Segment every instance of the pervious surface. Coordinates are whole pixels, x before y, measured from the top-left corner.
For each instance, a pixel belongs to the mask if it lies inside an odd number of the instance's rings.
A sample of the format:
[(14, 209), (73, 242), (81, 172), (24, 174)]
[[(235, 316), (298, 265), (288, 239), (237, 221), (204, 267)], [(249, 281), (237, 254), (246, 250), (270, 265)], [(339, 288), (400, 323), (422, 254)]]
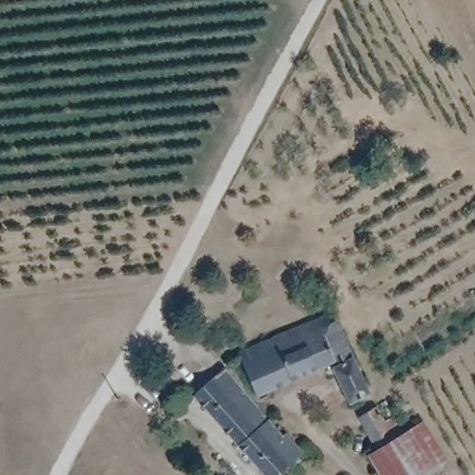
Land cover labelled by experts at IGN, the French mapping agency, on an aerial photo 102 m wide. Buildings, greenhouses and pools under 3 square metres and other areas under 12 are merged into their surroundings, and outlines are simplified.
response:
[(234, 445), (232, 438), (210, 416), (210, 412), (200, 408), (197, 397), (189, 403), (184, 416), (178, 416), (178, 423), (187, 417), (197, 429), (202, 430), (208, 438), (208, 443), (212, 445), (217, 456), (221, 456), (219, 469), (215, 471), (215, 475), (262, 475), (262, 471), (252, 464), (249, 455)]
[(67, 475), (78, 451), (82, 449), (89, 430), (95, 427), (96, 419), (104, 410), (104, 406), (111, 401), (113, 393), (126, 395), (128, 403), (132, 406), (143, 404), (143, 410), (150, 414), (150, 430), (160, 429), (173, 416), (165, 406), (161, 406), (158, 393), (148, 392), (139, 382), (128, 371), (128, 356), (124, 353), (117, 356), (115, 364), (109, 369), (108, 377), (100, 384), (95, 397), (85, 406), (76, 427), (72, 429), (71, 436), (63, 445), (56, 464), (50, 469), (50, 475)]
[(139, 336), (128, 338), (128, 354), (141, 356), (147, 351), (148, 343), (152, 340), (165, 343), (173, 354), (173, 362), (178, 364), (186, 360), (208, 360), (212, 364), (212, 367), (193, 375), (193, 388), (193, 392), (197, 392), (204, 388), (217, 373), (225, 369), (228, 366), (226, 360), (219, 358), (213, 351), (206, 351), (202, 345), (176, 341), (167, 327), (161, 314), (163, 295), (169, 289), (176, 288), (187, 269), (193, 269), (195, 263), (199, 262), (195, 258), (195, 252), (199, 247), (200, 237), (204, 236), (206, 228), (210, 225), (215, 208), (219, 206), (223, 193), (228, 189), (232, 174), (236, 173), (237, 165), (243, 160), (245, 150), (254, 137), (256, 128), (260, 126), (265, 111), (275, 100), (276, 91), (280, 83), (284, 82), (293, 59), (299, 54), (302, 46), (319, 11), (323, 9), (325, 0), (312, 0), (291, 33), (288, 45), (284, 46), (284, 50), (276, 59), (275, 67), (263, 83), (254, 106), (243, 119), (241, 130), (236, 135), (232, 147), (228, 148), (225, 160), (213, 178), (212, 186), (208, 187), (206, 195), (200, 199), (200, 200), (197, 217), (191, 225), (186, 225), (187, 234), (182, 241), (182, 247), (176, 252), (171, 267), (165, 273), (161, 273), (163, 280), (160, 288), (156, 289), (147, 312), (137, 325)]
[(345, 455), (340, 445), (317, 429), (315, 423), (306, 416), (302, 417), (301, 421), (302, 434), (308, 436), (321, 449), (323, 455), (330, 456), (349, 475), (367, 475), (367, 469), (362, 471), (356, 468), (356, 464)]

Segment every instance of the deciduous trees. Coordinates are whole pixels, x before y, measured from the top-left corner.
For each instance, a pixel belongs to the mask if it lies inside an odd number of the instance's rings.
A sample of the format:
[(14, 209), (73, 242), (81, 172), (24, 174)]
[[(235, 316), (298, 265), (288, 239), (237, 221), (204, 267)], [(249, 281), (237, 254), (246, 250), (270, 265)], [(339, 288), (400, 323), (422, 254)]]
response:
[(0, 43), (0, 54), (39, 50), (50, 46), (145, 39), (180, 33), (245, 30), (260, 28), (265, 24), (265, 19), (223, 20), (187, 26), (145, 28), (135, 32), (89, 33), (50, 41), (28, 41), (7, 45)]
[(367, 30), (371, 30), (371, 22), (367, 20), (366, 11), (360, 0), (340, 0), (347, 17), (341, 17), (340, 11), (334, 9), (334, 19), (340, 30), (334, 33), (334, 45), (327, 46), (327, 54), (340, 78), (345, 95), (353, 98), (351, 87), (356, 85), (360, 93), (367, 98), (377, 91), (380, 104), (386, 106), (392, 100), (401, 100), (406, 98), (408, 93), (412, 93), (419, 96), (419, 102), (425, 108), (429, 106), (429, 102), (421, 85), (427, 85), (432, 100), (442, 113), (447, 126), (451, 124), (451, 115), (443, 108), (436, 87), (430, 83), (429, 76), (423, 72), (417, 59), (414, 61), (414, 67), (410, 67), (390, 39), (384, 39), (384, 45), (406, 72), (403, 83), (395, 85), (386, 78), (386, 72), (382, 71), (382, 65), (375, 52), (371, 50), (371, 45), (367, 45), (367, 39), (362, 39), (362, 45), (366, 46), (367, 56), (380, 76), (380, 83), (371, 78), (364, 59), (347, 32), (347, 24), (353, 24), (356, 33), (362, 33), (360, 26), (367, 26)]
[(78, 247), (80, 239), (59, 239), (59, 249), (50, 252), (50, 258), (69, 260), (71, 250)]
[(302, 434), (297, 436), (295, 442), (301, 445), (297, 456), (306, 462), (317, 462), (323, 455), (321, 449), (308, 436)]
[(152, 245), (150, 254), (143, 254), (145, 263), (122, 265), (122, 273), (126, 275), (161, 273), (161, 258), (169, 252), (167, 243)]
[(213, 351), (223, 347), (223, 343), (228, 343), (230, 349), (245, 347), (249, 341), (243, 336), (243, 330), (232, 314), (221, 314), (221, 317), (213, 321), (206, 321), (199, 301), (187, 304), (182, 310), (182, 315), (173, 325), (167, 327), (176, 341), (202, 345), (206, 351)]
[(184, 165), (193, 161), (191, 156), (169, 156), (113, 163), (113, 169)]
[(13, 11), (0, 9), (0, 20), (186, 0), (109, 0)]
[(7, 148), (115, 139), (119, 137), (119, 132), (106, 130), (85, 135), (19, 139), (7, 143), (0, 139), (0, 152)]
[(353, 254), (360, 250), (369, 256), (367, 262), (356, 263), (356, 271), (371, 271), (380, 263), (388, 262), (393, 254), (392, 249), (384, 249), (382, 252), (377, 250), (377, 243), (371, 237), (371, 226), (390, 219), (393, 213), (403, 212), (406, 206), (429, 197), (447, 184), (453, 184), (462, 176), (460, 171), (455, 171), (451, 176), (432, 186), (421, 187), (414, 197), (397, 202), (395, 206), (390, 206), (384, 212), (377, 213), (354, 226), (354, 243), (351, 247), (345, 247), (345, 254)]
[(167, 173), (126, 180), (83, 182), (69, 186), (33, 187), (22, 191), (4, 191), (0, 187), (0, 200), (82, 193), (108, 187), (180, 182), (182, 176), (180, 173)]
[(208, 130), (210, 122), (195, 121), (156, 124), (132, 130), (134, 135), (154, 135), (174, 134), (186, 130)]
[(0, 37), (54, 32), (98, 24), (128, 24), (141, 20), (267, 9), (267, 4), (237, 2), (221, 6), (147, 11), (119, 17), (58, 20), (24, 24), (13, 28), (0, 26)]
[(302, 150), (295, 135), (284, 132), (276, 137), (273, 145), (273, 173), (278, 178), (286, 180), (289, 163), (293, 161), (297, 152)]
[(228, 95), (228, 89), (212, 87), (122, 98), (95, 98), (39, 108), (0, 106), (0, 119), (33, 113), (58, 113), (63, 109), (93, 109), (161, 102), (174, 98), (225, 96)]
[(440, 202), (436, 200), (432, 206), (423, 208), (414, 215), (412, 225), (451, 204), (456, 199), (456, 193), (451, 193), (449, 197)]
[(458, 52), (455, 48), (445, 46), (436, 63), (443, 65), (458, 61)]
[(20, 276), (30, 286), (35, 280), (35, 273), (56, 271), (56, 265), (22, 265), (19, 269)]
[(232, 265), (232, 282), (236, 282), (237, 288), (241, 291), (241, 301), (250, 304), (260, 297), (262, 284), (258, 278), (258, 271), (243, 260)]
[(217, 56), (191, 56), (147, 63), (104, 65), (78, 71), (22, 72), (11, 76), (0, 74), (0, 87), (4, 83), (39, 82), (54, 78), (102, 76), (113, 72), (171, 69), (202, 63), (247, 61), (247, 54), (241, 52)]
[(124, 58), (189, 48), (252, 45), (256, 39), (254, 35), (245, 35), (219, 39), (191, 39), (184, 43), (130, 46), (119, 50), (87, 50), (32, 58), (0, 58), (0, 69), (35, 63), (65, 63), (80, 59)]
[(432, 286), (425, 297), (410, 301), (410, 306), (419, 306), (423, 302), (430, 302), (432, 306), (436, 306), (434, 297), (438, 293), (475, 273), (475, 263), (468, 265), (460, 273), (453, 273), (442, 284)]
[(421, 228), (416, 232), (416, 236), (410, 239), (410, 247), (416, 247), (419, 241), (434, 236), (443, 226), (453, 225), (456, 219), (468, 215), (469, 210), (475, 206), (475, 197), (449, 217), (443, 217), (438, 225)]
[(358, 334), (358, 345), (364, 353), (369, 354), (369, 362), (375, 367), (375, 371), (390, 371), (393, 380), (403, 382), (404, 377), (408, 377), (414, 369), (427, 366), (434, 358), (451, 351), (460, 343), (466, 343), (469, 336), (475, 334), (475, 310), (453, 312), (449, 317), (447, 336), (442, 338), (434, 334), (423, 343), (406, 345), (403, 353), (388, 353), (384, 340), (384, 336), (377, 330), (362, 330)]
[(173, 354), (161, 364), (150, 362), (147, 377), (143, 377), (139, 382), (148, 392), (158, 393), (165, 388), (167, 382), (174, 380), (171, 375), (173, 362)]
[(392, 410), (395, 427), (404, 425), (406, 421), (410, 423), (410, 427), (416, 427), (421, 421), (421, 417), (414, 412), (404, 412), (403, 395), (399, 390), (390, 390), (388, 397), (388, 408)]
[(134, 204), (145, 204), (143, 215), (161, 215), (171, 210), (171, 200), (200, 200), (200, 199), (197, 189), (132, 197)]
[(388, 289), (384, 293), (384, 299), (403, 295), (423, 280), (442, 271), (443, 267), (458, 262), (462, 256), (460, 252), (455, 252), (445, 260), (432, 263), (425, 273), (417, 275), (416, 278)]
[(354, 145), (362, 139), (367, 139), (367, 135), (377, 128), (371, 119), (364, 119), (356, 126)]
[(306, 416), (315, 423), (327, 421), (330, 417), (327, 406), (319, 397), (306, 392), (299, 393), (302, 412), (306, 412)]
[(0, 167), (63, 158), (74, 160), (128, 154), (156, 148), (199, 147), (200, 141), (171, 139), (158, 143), (134, 143), (126, 147), (71, 150), (58, 154), (30, 154), (15, 158), (0, 156)]
[(219, 108), (217, 104), (204, 104), (143, 109), (119, 115), (80, 117), (69, 121), (39, 121), (26, 124), (0, 122), (0, 137), (15, 132), (89, 126), (104, 122), (139, 121), (191, 113), (212, 113)]
[(468, 223), (466, 228), (460, 228), (453, 234), (442, 237), (436, 245), (423, 250), (419, 256), (414, 256), (395, 267), (395, 273), (403, 275), (417, 263), (427, 260), (427, 256), (432, 252), (455, 243), (456, 239), (462, 239), (475, 230), (475, 219)]
[(74, 204), (28, 206), (24, 208), (24, 213), (30, 217), (33, 226), (65, 225), (69, 213), (72, 212), (83, 212), (91, 208), (119, 208), (117, 197), (106, 197)]
[(26, 89), (11, 93), (0, 91), (0, 102), (37, 96), (115, 91), (167, 83), (223, 80), (237, 78), (239, 72), (236, 69), (226, 69), (161, 78)]
[(265, 416), (269, 423), (280, 425), (282, 416), (275, 404), (269, 404), (265, 408)]
[(314, 67), (314, 58), (302, 46), (299, 54), (293, 59), (295, 63), (299, 63), (299, 71), (310, 71)]
[(225, 276), (217, 265), (204, 280), (199, 280), (200, 288), (204, 288), (206, 293), (219, 293), (226, 289)]
[(0, 184), (17, 180), (22, 182), (37, 178), (102, 173), (104, 165), (48, 169), (32, 173), (4, 174), (0, 171)]
[(371, 160), (366, 161), (364, 165), (351, 167), (351, 156), (341, 154), (330, 161), (330, 169), (336, 173), (351, 171), (356, 180), (364, 182), (364, 186), (375, 187), (382, 180), (388, 180), (392, 174), (401, 173), (406, 167), (410, 176), (406, 180), (373, 199), (375, 204), (380, 204), (382, 200), (399, 197), (406, 187), (427, 176), (423, 163), (427, 160), (427, 152), (414, 152), (410, 148), (399, 147), (390, 137), (377, 137), (375, 145), (369, 150)]
[(328, 278), (323, 282), (317, 282), (315, 278), (301, 280), (293, 276), (293, 295), (289, 295), (288, 301), (301, 306), (306, 315), (323, 312), (330, 319), (338, 319), (338, 286), (330, 284)]
[(328, 78), (321, 78), (310, 80), (312, 85), (302, 96), (301, 104), (310, 115), (315, 113), (319, 106), (327, 106), (327, 111), (332, 117), (332, 126), (343, 139), (347, 135), (347, 122), (341, 117), (340, 109), (336, 108), (332, 100), (332, 83)]

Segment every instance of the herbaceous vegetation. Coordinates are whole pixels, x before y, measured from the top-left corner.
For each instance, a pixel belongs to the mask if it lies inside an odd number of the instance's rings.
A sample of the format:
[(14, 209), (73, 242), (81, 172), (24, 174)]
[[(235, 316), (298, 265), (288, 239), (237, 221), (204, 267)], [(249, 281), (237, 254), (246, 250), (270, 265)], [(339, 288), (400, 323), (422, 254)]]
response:
[(165, 406), (169, 397), (180, 388), (193, 388), (193, 375), (212, 367), (212, 364), (208, 360), (186, 360), (178, 364), (173, 362), (171, 375), (174, 380), (167, 382), (165, 388), (158, 393), (161, 406)]
[(438, 293), (434, 297), (436, 306), (453, 304), (453, 299), (458, 299), (466, 289), (475, 288), (475, 273)]
[(208, 443), (199, 451), (199, 447), (184, 442), (165, 453), (173, 468), (184, 471), (186, 475), (215, 475), (215, 471), (219, 469), (221, 456), (217, 456), (212, 445)]
[(0, 0), (0, 9), (13, 11), (109, 0)]
[(315, 468), (304, 475), (349, 475), (330, 456), (323, 455), (317, 462)]
[[(119, 17), (147, 11), (221, 6), (237, 2), (267, 4), (267, 9), (141, 20), (128, 24), (98, 24), (54, 32), (0, 37), (0, 43), (7, 45), (28, 41), (50, 41), (89, 33), (135, 32), (145, 28), (187, 26), (223, 20), (265, 19), (265, 24), (260, 28), (245, 30), (180, 33), (145, 39), (50, 46), (39, 50), (0, 54), (0, 58), (32, 58), (87, 50), (119, 50), (130, 46), (184, 43), (191, 39), (219, 39), (245, 35), (254, 35), (256, 39), (252, 45), (189, 48), (124, 58), (80, 59), (65, 63), (35, 63), (0, 69), (0, 74), (11, 76), (22, 72), (78, 71), (104, 65), (147, 63), (191, 56), (217, 56), (241, 52), (247, 54), (247, 61), (202, 63), (171, 69), (113, 72), (102, 76), (54, 78), (39, 82), (4, 83), (0, 87), (0, 91), (11, 93), (26, 89), (161, 78), (226, 69), (236, 69), (239, 72), (237, 78), (223, 80), (167, 83), (115, 91), (37, 96), (0, 102), (0, 106), (39, 108), (95, 98), (122, 98), (212, 87), (228, 89), (228, 95), (225, 96), (174, 98), (161, 102), (93, 109), (63, 109), (58, 113), (33, 113), (0, 119), (0, 122), (26, 124), (39, 121), (69, 121), (80, 117), (119, 115), (143, 109), (204, 104), (217, 104), (219, 108), (212, 113), (191, 113), (139, 121), (104, 122), (89, 126), (15, 132), (0, 137), (0, 139), (7, 143), (19, 139), (85, 135), (106, 130), (119, 132), (119, 137), (115, 139), (7, 148), (0, 152), (0, 156), (15, 158), (30, 154), (58, 154), (71, 150), (126, 147), (134, 143), (158, 143), (171, 139), (200, 141), (199, 147), (156, 148), (128, 154), (74, 160), (63, 158), (0, 167), (0, 171), (4, 174), (32, 173), (48, 169), (104, 165), (102, 173), (37, 178), (22, 182), (17, 180), (0, 184), (0, 187), (4, 191), (22, 191), (33, 187), (69, 186), (83, 182), (126, 180), (167, 173), (180, 173), (182, 176), (180, 182), (108, 187), (82, 193), (0, 200), (0, 475), (50, 475), (50, 469), (56, 464), (63, 445), (71, 436), (72, 429), (76, 427), (85, 406), (95, 397), (100, 384), (108, 377), (109, 369), (115, 364), (117, 356), (124, 353), (128, 356), (128, 371), (139, 382), (143, 377), (147, 377), (150, 362), (161, 364), (173, 354), (165, 343), (152, 340), (148, 343), (147, 351), (141, 356), (128, 354), (128, 338), (139, 336), (137, 325), (147, 312), (156, 289), (160, 288), (163, 280), (161, 273), (165, 273), (171, 267), (176, 252), (182, 247), (182, 241), (187, 234), (186, 225), (191, 225), (197, 217), (200, 200), (171, 200), (171, 210), (161, 215), (143, 215), (145, 204), (134, 204), (132, 197), (197, 189), (200, 199), (206, 195), (208, 187), (212, 186), (213, 178), (225, 160), (228, 148), (232, 147), (236, 135), (241, 130), (243, 119), (254, 106), (263, 83), (275, 67), (276, 59), (284, 50), (284, 46), (288, 45), (291, 33), (312, 0), (186, 0), (0, 20), (0, 26), (13, 28), (24, 24), (58, 20)], [(195, 121), (210, 122), (208, 130), (186, 130), (174, 134), (154, 135), (134, 135), (132, 130), (156, 124)], [(184, 165), (113, 169), (113, 163), (169, 156), (191, 156), (193, 161)], [(65, 225), (33, 226), (30, 217), (24, 213), (24, 208), (28, 206), (74, 204), (106, 197), (117, 197), (119, 208), (91, 208), (83, 212), (72, 212), (69, 213)], [(69, 260), (50, 258), (50, 252), (59, 249), (59, 239), (80, 239), (78, 247), (71, 250)], [(169, 252), (161, 258), (161, 273), (126, 275), (122, 273), (122, 265), (145, 263), (143, 254), (150, 254), (152, 245), (167, 243)], [(56, 265), (56, 271), (35, 273), (35, 280), (30, 286), (20, 276), (19, 269), (22, 265)]]
[[(384, 39), (390, 39), (410, 67), (414, 67), (414, 61), (417, 59), (423, 72), (429, 76), (430, 83), (436, 87), (443, 108), (451, 115), (451, 124), (447, 126), (442, 113), (432, 100), (427, 85), (421, 85), (429, 102), (429, 106), (425, 108), (419, 102), (419, 96), (412, 93), (408, 93), (406, 98), (401, 100), (392, 100), (386, 106), (380, 104), (377, 91), (367, 98), (360, 93), (356, 85), (351, 87), (353, 98), (345, 95), (340, 78), (327, 54), (327, 46), (334, 45), (334, 33), (340, 30), (334, 19), (334, 9), (340, 11), (341, 17), (347, 17), (340, 0), (325, 0), (323, 9), (319, 11), (302, 46), (314, 58), (314, 67), (310, 71), (299, 71), (299, 63), (295, 63), (293, 59), (284, 82), (280, 83), (276, 91), (275, 100), (265, 111), (260, 126), (256, 128), (254, 137), (245, 150), (243, 160), (237, 165), (236, 173), (232, 174), (228, 189), (223, 193), (219, 206), (215, 208), (210, 225), (206, 228), (204, 236), (200, 237), (199, 247), (195, 252), (195, 258), (199, 262), (195, 263), (193, 269), (187, 269), (176, 288), (169, 289), (163, 295), (161, 314), (167, 327), (173, 325), (182, 315), (182, 310), (187, 304), (199, 301), (206, 321), (213, 321), (221, 317), (221, 314), (232, 314), (243, 330), (243, 336), (249, 341), (269, 330), (275, 330), (276, 334), (280, 334), (284, 330), (289, 330), (291, 327), (288, 323), (302, 319), (306, 315), (301, 306), (288, 301), (289, 295), (293, 295), (293, 276), (301, 280), (315, 278), (317, 282), (323, 282), (328, 278), (330, 284), (338, 286), (338, 319), (341, 328), (347, 332), (347, 341), (351, 345), (356, 366), (366, 373), (367, 390), (362, 390), (358, 399), (347, 399), (341, 395), (336, 373), (330, 366), (308, 371), (304, 377), (284, 382), (282, 388), (273, 388), (271, 393), (256, 395), (252, 380), (247, 379), (247, 375), (241, 369), (245, 347), (230, 349), (228, 343), (223, 343), (223, 347), (213, 351), (219, 358), (226, 360), (228, 366), (225, 369), (236, 382), (237, 388), (262, 412), (262, 416), (265, 416), (265, 408), (269, 404), (275, 404), (282, 416), (280, 425), (288, 430), (289, 434), (297, 436), (302, 434), (301, 421), (302, 417), (306, 416), (306, 412), (302, 412), (299, 393), (306, 392), (319, 397), (327, 406), (330, 417), (327, 421), (315, 423), (317, 429), (340, 445), (345, 455), (356, 464), (356, 468), (362, 471), (367, 469), (366, 458), (362, 455), (366, 427), (360, 425), (358, 416), (364, 416), (371, 408), (375, 408), (373, 401), (388, 397), (390, 390), (399, 390), (403, 395), (404, 412), (414, 412), (421, 417), (421, 421), (432, 432), (434, 442), (440, 445), (445, 455), (443, 468), (432, 475), (475, 475), (475, 334), (469, 336), (466, 343), (460, 343), (451, 351), (434, 358), (427, 366), (414, 369), (408, 377), (404, 377), (403, 382), (393, 380), (390, 371), (375, 371), (375, 367), (369, 362), (369, 354), (364, 353), (358, 345), (358, 334), (362, 330), (377, 330), (384, 336), (384, 340), (392, 340), (397, 336), (397, 332), (406, 332), (421, 315), (432, 312), (432, 306), (430, 302), (423, 302), (419, 306), (410, 306), (410, 301), (425, 297), (432, 286), (442, 284), (453, 273), (460, 273), (468, 265), (475, 263), (475, 230), (462, 239), (456, 239), (455, 243), (432, 252), (427, 256), (427, 260), (417, 263), (403, 275), (395, 273), (395, 267), (414, 256), (419, 256), (423, 250), (436, 245), (442, 237), (453, 234), (460, 228), (466, 228), (468, 223), (475, 219), (475, 206), (469, 210), (468, 215), (456, 219), (453, 225), (443, 226), (434, 236), (419, 241), (416, 247), (410, 247), (410, 239), (416, 236), (416, 232), (421, 228), (438, 225), (443, 217), (449, 217), (475, 197), (475, 0), (360, 0), (366, 11), (367, 20), (371, 22), (371, 30), (367, 30), (367, 26), (360, 26), (362, 33), (356, 33), (353, 24), (347, 24), (347, 32), (364, 59), (371, 78), (380, 83), (380, 76), (367, 56), (366, 46), (362, 45), (362, 39), (367, 39), (367, 45), (371, 45), (371, 50), (375, 52), (382, 65), (382, 71), (386, 72), (386, 78), (395, 85), (403, 83), (406, 72), (384, 45)], [(458, 52), (458, 61), (443, 65), (436, 63), (445, 46), (455, 48)], [(336, 108), (340, 109), (341, 117), (347, 122), (347, 135), (343, 139), (332, 126), (332, 117), (327, 111), (327, 106), (319, 106), (315, 113), (310, 115), (301, 104), (302, 96), (312, 85), (310, 80), (321, 78), (328, 78), (332, 83), (332, 100)], [(354, 145), (356, 126), (364, 119), (371, 119), (377, 128), (367, 135), (367, 139), (362, 139)], [(284, 132), (295, 135), (302, 150), (297, 152), (293, 161), (289, 163), (286, 180), (278, 178), (273, 173), (273, 145), (276, 137)], [(427, 152), (427, 160), (423, 163), (427, 176), (406, 187), (399, 197), (382, 200), (380, 204), (375, 204), (373, 199), (406, 180), (410, 176), (406, 167), (401, 173), (392, 174), (388, 180), (382, 180), (375, 187), (364, 186), (364, 182), (356, 180), (351, 171), (336, 173), (330, 169), (330, 161), (341, 154), (351, 156), (351, 167), (364, 165), (366, 161), (371, 160), (369, 150), (375, 145), (377, 137), (390, 137), (399, 147), (410, 148), (414, 152)], [(377, 243), (377, 250), (382, 252), (384, 249), (392, 249), (393, 254), (388, 262), (380, 263), (371, 271), (356, 271), (356, 263), (367, 262), (369, 256), (360, 250), (353, 254), (345, 254), (345, 247), (351, 247), (354, 243), (354, 226), (377, 213), (384, 212), (390, 206), (395, 206), (397, 202), (414, 197), (421, 187), (432, 186), (451, 176), (455, 171), (460, 171), (462, 176), (453, 184), (447, 184), (429, 197), (406, 206), (403, 212), (393, 213), (390, 219), (371, 226), (371, 237)], [(412, 225), (414, 215), (423, 208), (432, 206), (436, 200), (440, 202), (449, 197), (451, 193), (456, 193), (456, 199), (451, 204)], [(458, 262), (443, 267), (442, 271), (423, 280), (403, 295), (384, 299), (384, 293), (388, 289), (416, 278), (417, 275), (425, 273), (432, 263), (445, 260), (455, 252), (460, 252), (462, 256)], [(243, 260), (258, 271), (258, 278), (262, 284), (260, 297), (250, 304), (241, 301), (241, 291), (237, 288), (236, 282), (232, 282), (232, 265)], [(204, 280), (217, 265), (225, 276), (226, 289), (219, 293), (206, 293), (204, 288), (200, 288), (199, 280)]]

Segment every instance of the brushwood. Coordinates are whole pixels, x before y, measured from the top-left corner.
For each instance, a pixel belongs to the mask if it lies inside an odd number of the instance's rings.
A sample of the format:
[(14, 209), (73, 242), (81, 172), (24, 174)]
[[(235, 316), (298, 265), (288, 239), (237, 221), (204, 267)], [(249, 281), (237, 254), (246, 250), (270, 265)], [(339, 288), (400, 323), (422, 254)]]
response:
[(304, 475), (315, 468), (317, 462), (306, 462), (297, 456), (288, 468), (280, 471), (280, 475)]
[(432, 306), (432, 312), (421, 315), (406, 332), (397, 332), (397, 336), (392, 340), (384, 340), (388, 353), (403, 353), (406, 345), (423, 343), (434, 334), (442, 338), (447, 336), (449, 317), (453, 312), (475, 310), (475, 288), (466, 289), (458, 299), (453, 299), (453, 304), (436, 306)]
[(145, 442), (154, 443), (158, 440), (158, 445), (165, 453), (184, 442), (199, 447), (199, 451), (208, 443), (208, 438), (202, 430), (197, 429), (187, 417), (178, 423), (178, 416), (173, 416), (160, 429), (150, 430), (145, 434)]

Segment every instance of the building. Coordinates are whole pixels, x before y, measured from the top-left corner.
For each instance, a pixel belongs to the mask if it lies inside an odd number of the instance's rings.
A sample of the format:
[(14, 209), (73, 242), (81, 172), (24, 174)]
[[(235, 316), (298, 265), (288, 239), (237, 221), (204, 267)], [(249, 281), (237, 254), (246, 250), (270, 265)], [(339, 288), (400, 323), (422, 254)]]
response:
[(410, 427), (410, 423), (406, 421), (404, 425), (395, 427), (392, 410), (388, 408), (388, 397), (373, 401), (375, 408), (371, 408), (364, 416), (358, 416), (360, 425), (366, 427), (362, 455), (366, 458), (367, 469), (367, 475), (432, 475), (443, 468), (445, 455), (440, 445), (434, 442), (432, 432), (421, 421), (416, 427)]
[(193, 392), (193, 388), (180, 388), (169, 397), (165, 406), (173, 416), (178, 416), (184, 416), (189, 403), (197, 397), (200, 408), (210, 412), (210, 416), (232, 438), (234, 445), (249, 455), (252, 464), (262, 471), (262, 475), (280, 475), (280, 471), (288, 468), (297, 456), (301, 445), (295, 442), (297, 436), (289, 434), (288, 430), (280, 425), (269, 423), (265, 416), (262, 416), (262, 412), (237, 388), (236, 382), (225, 369), (217, 373), (204, 388), (197, 392)]
[(289, 330), (284, 330), (280, 334), (276, 334), (275, 330), (269, 330), (249, 341), (245, 347), (241, 369), (247, 375), (247, 379), (252, 380), (256, 395), (271, 393), (273, 388), (282, 388), (284, 382), (304, 377), (308, 371), (330, 366), (336, 373), (341, 395), (347, 399), (358, 399), (362, 390), (367, 390), (366, 373), (356, 366), (351, 345), (347, 341), (347, 332), (341, 328), (338, 319), (330, 319), (323, 312), (306, 315), (302, 319), (288, 323), (291, 327)]

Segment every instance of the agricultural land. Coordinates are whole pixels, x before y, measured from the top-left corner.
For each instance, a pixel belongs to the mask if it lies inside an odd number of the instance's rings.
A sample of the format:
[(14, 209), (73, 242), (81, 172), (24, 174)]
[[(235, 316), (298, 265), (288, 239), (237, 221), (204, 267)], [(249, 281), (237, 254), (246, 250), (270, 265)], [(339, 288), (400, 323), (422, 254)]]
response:
[(126, 395), (113, 393), (111, 401), (104, 406), (104, 410), (96, 419), (95, 427), (89, 430), (82, 449), (78, 451), (67, 475), (186, 475), (184, 471), (173, 468), (165, 453), (158, 445), (158, 440), (154, 443), (145, 442), (145, 434), (150, 430), (150, 414), (143, 410), (143, 404), (132, 406), (128, 403)]

